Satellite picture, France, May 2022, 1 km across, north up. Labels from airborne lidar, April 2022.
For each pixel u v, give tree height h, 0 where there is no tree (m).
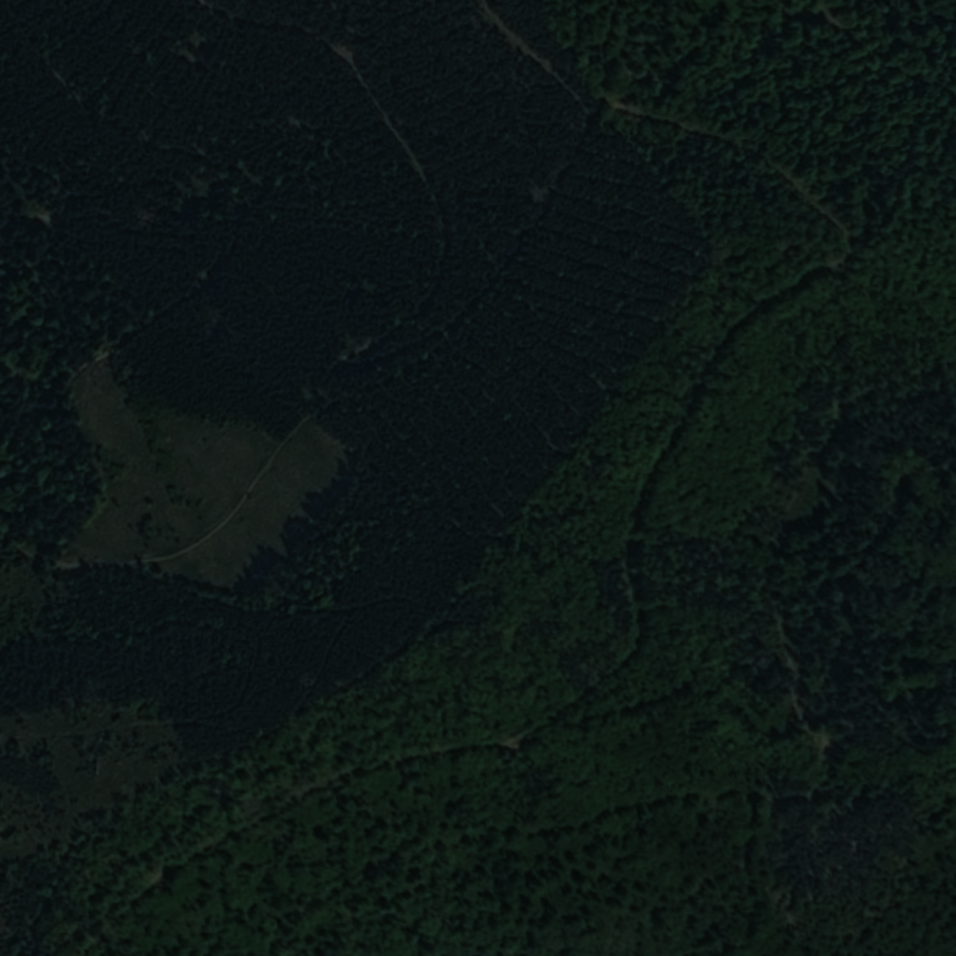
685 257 17
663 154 16
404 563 17
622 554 21
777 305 25
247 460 0
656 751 20
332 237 25
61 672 18
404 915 31
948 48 35
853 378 28
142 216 24
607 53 11
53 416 31
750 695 8
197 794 19
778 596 30
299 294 23
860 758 26
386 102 20
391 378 18
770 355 26
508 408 18
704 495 30
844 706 32
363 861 9
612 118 13
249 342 22
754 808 33
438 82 21
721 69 27
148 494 0
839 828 33
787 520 0
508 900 9
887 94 32
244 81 26
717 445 28
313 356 25
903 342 31
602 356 18
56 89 22
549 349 16
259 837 7
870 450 39
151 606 13
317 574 22
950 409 41
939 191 29
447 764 11
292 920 35
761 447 21
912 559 37
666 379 23
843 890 23
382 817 8
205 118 23
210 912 12
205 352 16
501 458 17
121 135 26
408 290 25
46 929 7
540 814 19
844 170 27
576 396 16
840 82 36
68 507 33
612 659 20
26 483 31
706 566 28
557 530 20
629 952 20
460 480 19
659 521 27
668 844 26
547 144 23
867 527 10
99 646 21
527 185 22
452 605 19
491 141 20
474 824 18
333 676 15
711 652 30
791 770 25
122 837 19
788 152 26
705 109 25
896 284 26
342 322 26
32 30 21
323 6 25
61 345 38
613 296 17
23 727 14
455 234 24
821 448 33
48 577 6
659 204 18
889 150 32
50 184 39
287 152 25
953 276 27
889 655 32
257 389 16
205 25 19
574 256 18
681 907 28
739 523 26
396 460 14
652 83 28
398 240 23
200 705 14
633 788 23
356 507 22
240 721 14
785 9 30
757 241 20
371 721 20
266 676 14
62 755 0
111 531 0
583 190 16
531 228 8
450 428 19
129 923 9
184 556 0
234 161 21
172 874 26
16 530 29
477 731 20
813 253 16
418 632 13
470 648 23
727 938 31
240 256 25
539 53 23
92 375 0
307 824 9
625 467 24
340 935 20
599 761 20
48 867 6
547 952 25
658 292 17
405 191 22
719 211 16
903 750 25
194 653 17
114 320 32
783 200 23
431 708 17
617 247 14
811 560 25
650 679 24
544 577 21
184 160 28
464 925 35
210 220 25
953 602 29
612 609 25
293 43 25
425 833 25
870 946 15
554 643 21
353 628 16
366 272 23
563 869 10
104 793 0
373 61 23
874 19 37
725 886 8
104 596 13
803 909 16
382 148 22
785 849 30
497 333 15
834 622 29
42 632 7
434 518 15
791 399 31
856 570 23
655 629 25
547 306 16
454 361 20
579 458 16
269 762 8
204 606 14
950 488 32
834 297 23
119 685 22
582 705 22
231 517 0
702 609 27
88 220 28
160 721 11
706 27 34
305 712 14
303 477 0
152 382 15
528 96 27
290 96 26
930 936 18
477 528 17
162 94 24
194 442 0
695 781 18
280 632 17
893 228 24
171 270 26
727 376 29
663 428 23
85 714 7
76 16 20
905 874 16
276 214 25
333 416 18
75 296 30
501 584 22
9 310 26
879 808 31
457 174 25
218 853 17
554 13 19
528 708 21
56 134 25
